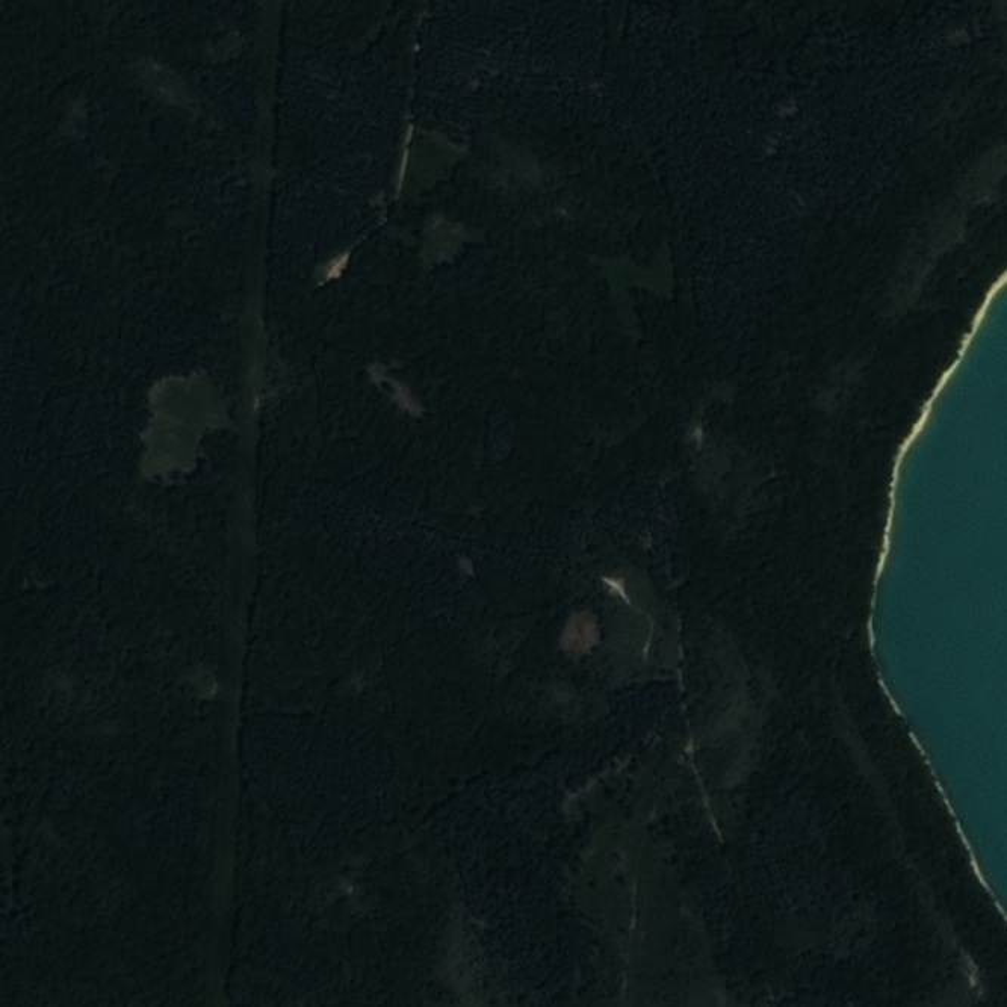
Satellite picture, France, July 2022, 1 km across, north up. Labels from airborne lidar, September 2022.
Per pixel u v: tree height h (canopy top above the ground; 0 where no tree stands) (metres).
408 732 14
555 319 8
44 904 18
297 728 23
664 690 20
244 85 18
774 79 24
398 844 13
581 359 13
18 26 16
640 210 11
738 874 7
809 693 20
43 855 8
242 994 18
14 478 22
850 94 21
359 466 16
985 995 22
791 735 19
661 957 0
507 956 17
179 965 15
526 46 13
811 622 18
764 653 10
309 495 22
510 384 14
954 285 22
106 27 11
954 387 0
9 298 15
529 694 10
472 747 9
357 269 14
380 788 23
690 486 10
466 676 16
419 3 13
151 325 17
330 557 16
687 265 15
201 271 15
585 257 16
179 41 13
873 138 18
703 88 25
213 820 9
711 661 7
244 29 12
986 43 12
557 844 13
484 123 17
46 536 13
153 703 10
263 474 6
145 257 16
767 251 20
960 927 17
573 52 21
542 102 21
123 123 16
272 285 11
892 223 14
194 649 13
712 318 21
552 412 13
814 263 17
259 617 15
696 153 23
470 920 11
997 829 0
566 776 10
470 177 11
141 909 13
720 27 12
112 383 12
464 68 18
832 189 20
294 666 15
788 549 18
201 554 17
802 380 16
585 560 19
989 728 0
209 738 14
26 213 19
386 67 20
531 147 10
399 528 24
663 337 16
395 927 10
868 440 20
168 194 13
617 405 15
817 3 21
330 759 24
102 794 16
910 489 0
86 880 12
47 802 22
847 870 13
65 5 16
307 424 14
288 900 13
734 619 13
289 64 21
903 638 0
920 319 17
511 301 13
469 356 13
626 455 13
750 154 20
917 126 10
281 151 15
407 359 13
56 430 17
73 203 15
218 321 13
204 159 13
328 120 17
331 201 18
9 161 18
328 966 20
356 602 15
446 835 22
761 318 12
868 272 14
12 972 20
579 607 10
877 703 21
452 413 9
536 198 8
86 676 12
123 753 15
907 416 16
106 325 15
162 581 12
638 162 16
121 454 15
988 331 0
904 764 22
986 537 0
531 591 13
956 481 0
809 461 12
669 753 8
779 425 12
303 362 15
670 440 13
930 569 0
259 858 16
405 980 13
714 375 9
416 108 14
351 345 14
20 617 18
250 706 17
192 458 0
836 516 14
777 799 16
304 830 21
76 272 14
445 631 22
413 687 14
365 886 8
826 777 16
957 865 24
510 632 10
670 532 22
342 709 14
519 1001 7
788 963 10
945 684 0
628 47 17
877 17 11
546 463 16
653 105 27
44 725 12
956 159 13
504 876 13
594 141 12
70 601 13
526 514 16
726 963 17
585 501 18
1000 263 23
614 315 17
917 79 19
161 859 20
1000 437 0
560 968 19
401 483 23
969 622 0
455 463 16
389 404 16
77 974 20
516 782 8
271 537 14
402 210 16
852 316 17
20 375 22
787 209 20
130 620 17
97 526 22
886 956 16
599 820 16
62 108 12
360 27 18
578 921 17
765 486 11
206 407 0
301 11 14
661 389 8
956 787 0
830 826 14
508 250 10
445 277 23
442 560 20
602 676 7
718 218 23
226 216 20
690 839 8
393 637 14
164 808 24
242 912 15
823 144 23
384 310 15
